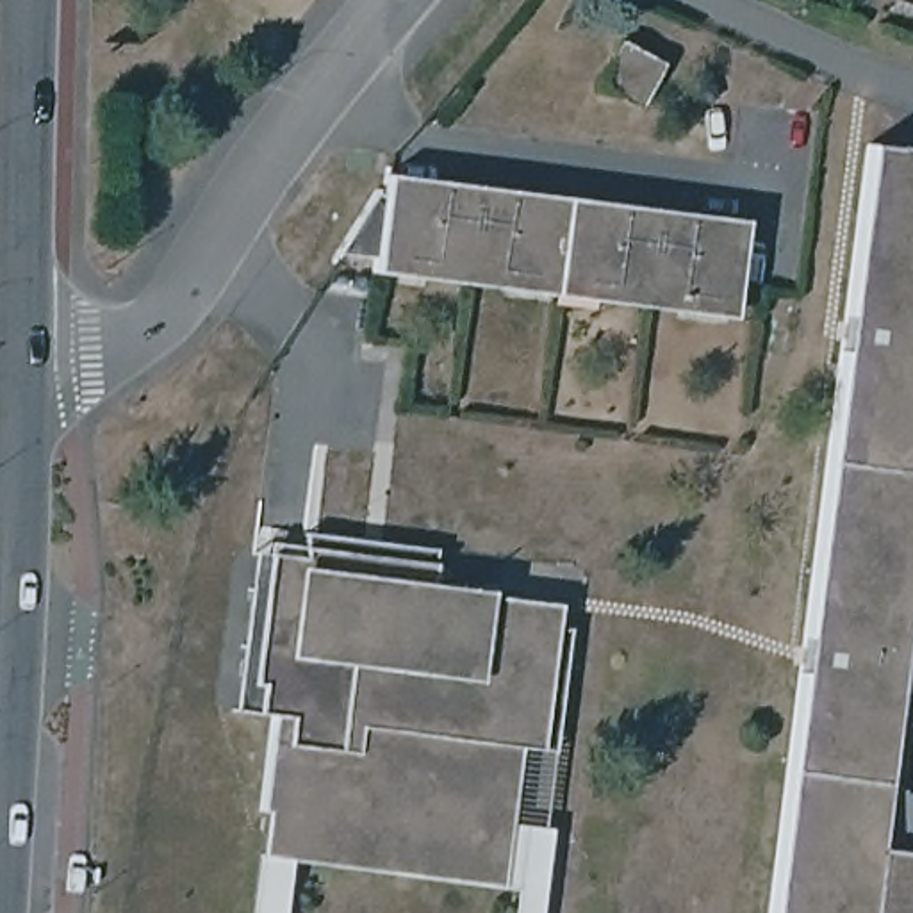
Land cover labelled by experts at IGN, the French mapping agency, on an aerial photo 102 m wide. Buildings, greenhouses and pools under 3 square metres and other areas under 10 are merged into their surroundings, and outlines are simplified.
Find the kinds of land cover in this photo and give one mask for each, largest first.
<instances>
[{"label":"herbaceous vegetation","instance_id":"1","mask_svg":"<svg viewBox=\"0 0 913 913\"><path fill-rule=\"evenodd\" d=\"M185 7L171 21H164V29L153 39L139 43V32L125 29L132 0H89L86 257L96 264L100 275H121L139 257L146 239L128 250H114L96 239L100 96L114 89L132 93L139 100L182 96V114H193L196 125L207 128L214 139H221L243 114L239 96L232 93V86H221L214 78L210 64L214 57H225L235 43L260 57V68L271 78L285 71L292 53L300 50L296 21L307 14L314 0H182ZM524 0H471L467 11L407 71V86L417 89L424 111H435L457 89L467 68L478 61V53L496 39V32L514 18V11ZM571 0H546L539 14L524 25V32L506 46V53L489 68L481 93L453 125V132H481L506 139L581 143L621 153H678V139L692 125H699L710 114L713 96L724 93L731 107L781 111L792 118L802 111L810 114V139H817V100L827 86L813 75L792 78V71H785L781 64L735 46L724 36L692 29L681 43L667 39L656 29H638L631 32V39L667 61L656 107L649 111L631 100H621V53L628 39L599 25L563 29V11ZM874 18L852 46L913 68V0H870ZM899 121L881 107L863 103L860 96H842L835 107L827 146L813 289L802 300H781L774 307L760 410L742 414L745 382L735 378V360L749 350V321L699 325L681 321L674 314H660L649 410L646 417H638L635 432L656 424L706 432L724 435V449H685L667 442L624 439H596L588 449H581L574 432H539L528 424H503L492 417L396 414L385 524L367 521L374 453H342L339 446H328L325 457L317 524L321 531L335 535L439 546L446 585H474L521 599L567 603V624L578 628V646L553 810L556 860L549 884V913H767L788 763V724L799 681L792 660L685 624L588 613L585 603L610 599L688 610L795 646L802 642L806 628L827 432L795 442L781 432V410L799 385L813 399H827L835 407L838 325L845 317L849 300L863 160L867 146H877L881 132H888ZM628 542L635 553L653 556L667 567L646 585L624 581L617 574V549ZM599 738L606 745L631 749L635 760L656 774L642 795L599 799L592 792L588 753ZM385 175L392 171V160L374 150H332V157L289 203L285 221H278V232L271 235V246L278 260L289 267L292 282L310 289V303L321 307L335 282H357L367 292L378 289V282L385 278L371 267L335 264L332 250L346 235L367 193L385 189ZM193 168L178 164L168 171L157 160L139 168L146 228L164 221L171 207V182L185 178ZM414 314H424L428 321H453L457 303L449 296L396 282L389 310L392 328H407ZM556 303L514 300L481 289L471 385L460 396V407H546L542 378L549 321ZM571 317L556 414L592 421L628 417L631 385L642 360L628 346L638 342V310H649V303L635 300H599L596 310L567 307ZM588 346L603 364L617 367V378H610L599 389L578 378L581 350ZM271 357L250 332L232 328L225 314H210L196 328V335L153 371L157 385L128 392V399L107 421L96 424L93 446L100 517L107 553L114 560V574H107V599L118 606L111 628L103 631V663H96L93 674V681H100L103 706L93 777V849L96 860H103L107 867L100 870V902H89L86 913H253L264 856V745L267 724L278 713L235 710H218V674L225 649L232 563L243 549L253 546V510L264 503L275 396L271 389L264 396L250 392ZM168 439H178L175 460H168V474L185 514L168 528L139 524L121 506L118 489L132 474V464H143V449H157ZM125 556H143L153 563L150 603H136V581ZM457 346L442 339L428 350V360L421 357L414 367L417 407H442L446 399L442 378H453ZM325 902L314 913H517L514 892L364 877L339 870L335 863L328 870H317Z\"/></svg>","mask_w":913,"mask_h":913},{"label":"building","instance_id":"2","mask_svg":"<svg viewBox=\"0 0 913 913\"><path fill-rule=\"evenodd\" d=\"M667 61L631 39H628L621 53V100H631L649 111L656 107ZM799 681L788 724V763L767 913H913V146H867L863 160L849 300L845 317L838 325L835 407L827 432L806 628L802 642L795 646L792 660ZM756 257L753 218H717L699 210H670L646 203H617L392 171L385 175V189L367 193L346 235L332 250L335 264L371 267L385 278L396 282L449 296L460 289H481L514 300L556 303L567 307L596 310L599 300H635L649 303V310L660 314H674L681 321L699 325L749 321V303ZM235 710L278 713L267 724L264 745V856L253 913H292L296 867L317 870H328L335 863L339 870L364 877L514 892L517 913H549V884L556 860L553 810L578 646V628L567 624V603L521 599L474 585H446L439 546L335 535L321 531L317 524L303 528V542H282L275 535L264 542V556H253Z\"/></svg>","mask_w":913,"mask_h":913},{"label":"impervious surface","instance_id":"3","mask_svg":"<svg viewBox=\"0 0 913 913\"><path fill-rule=\"evenodd\" d=\"M471 0H314L307 14L296 21L300 50L292 53L285 71L271 78L264 89H257V96H239L243 114L221 139H214L210 157L200 168H193L185 178L171 182V207L164 221L146 228V239L139 257L121 275H100L96 264L86 257L89 0H0V913H86L89 902H100V870L107 867L103 860H96L93 849V777L103 706L100 681H93V674L96 663H103V631L111 628L118 606L107 599V574H114V560L107 553L100 517L93 446L96 424L107 421L128 399V392L157 385L153 371L196 335V328L210 314H225L232 328L250 332L271 357L250 392L264 396L271 389L275 396L264 503L253 510V546L243 549L232 563L225 649L218 674V710H235L253 556H264V542L275 535L282 542H303V528L317 524L325 457L328 446H339L342 453H374L367 521L385 524L396 414L403 353L396 346H378L367 339V292L357 282H335L321 307L310 303V289L292 282L289 267L278 260L271 246V235L278 232V221H285L289 203L332 157V150H374L392 160V171L617 203H646L670 210H699L717 218H753L756 257L749 303L763 289L788 292L792 278L799 275L817 139H810V114L802 111L792 118L781 111L731 107L724 93L713 96L710 114L699 125H692L678 139V153H621L581 143L506 139L481 132H453V125L424 118V111L417 89L407 86V71L467 11ZM57 496H68V503L75 506V524H71V539H68V542H53V514H57L53 499H57ZM728 29H738L774 50L810 61L813 75L827 86L831 78H838L842 96H860L863 103L881 107L899 121L888 132H881L877 146H913V68L852 46L824 32H813L802 21L760 7L753 0H681ZM588 613L685 624L792 660L795 646L688 610L610 599L585 603Z\"/></svg>","mask_w":913,"mask_h":913},{"label":"brushwood","instance_id":"4","mask_svg":"<svg viewBox=\"0 0 913 913\"><path fill-rule=\"evenodd\" d=\"M546 0H524L514 11V18L496 32V39L478 53V61L467 68L457 89L435 111H424V118L453 125L481 93L489 68L506 53V46L524 32V25L539 14ZM663 11L685 18L692 29L724 36L735 46L781 64L785 71H792V78L813 75L810 61L774 50L738 29H728L681 0H670ZM842 96L838 78H831L827 86L817 100V139L799 275L792 278L788 292L763 289L749 303V350L735 360V378L745 382L742 414L760 410L774 307L781 300H802L813 289L827 146L835 107ZM396 282L385 278L378 282V289L367 292V339L378 346H396L403 353L396 414L492 417L503 424H528L539 432H574L581 449H588L596 439H624L667 442L685 449H724V435L706 432L656 424L635 432L638 417H646L649 410L660 314L649 310H638V342L628 346L642 360L631 385L628 417L592 421L556 414L571 317L567 307L556 303L549 321L542 378L546 407H460V396L471 385L481 289H460L449 296L457 303L453 321H428L424 314H414L407 328H392L389 310ZM442 339L457 346L453 378H442L446 399L442 407H417L414 367L421 357L428 360V350ZM57 514H53V542H68V539H71V524H75V506L68 503V496H57V499H53ZM136 581V603H150L153 563L143 556H125ZM325 902L317 870L296 867L292 913H314Z\"/></svg>","mask_w":913,"mask_h":913},{"label":"deciduous trees","instance_id":"5","mask_svg":"<svg viewBox=\"0 0 913 913\"><path fill-rule=\"evenodd\" d=\"M185 7L182 0H132L125 29L139 32V43L153 39L164 29V21H171ZM760 7L802 21L813 32H824L852 46L874 18L870 0H753ZM210 64L214 78L221 86H232V93L239 96H257V89H264L271 78L260 68V57L235 43L225 57H214ZM96 239L114 250H128L146 239V228L139 168L157 160L168 171L178 164L193 168H200L210 157L214 139L207 128L196 125L193 114H182V96L139 100L132 93L114 89L100 96ZM578 378L599 389L610 378H617V367L603 364L588 346L581 350ZM835 407L827 399H813L799 385L781 410V432L795 442L827 432ZM178 439H168L157 449H143V464H132V474L118 489L121 506L139 524L168 528L185 514L168 474V460H175ZM667 567L653 556L635 553L628 542L617 549V574L624 581L646 585ZM592 792L599 799L642 795L656 774L635 760L631 749L606 745L599 738L588 753Z\"/></svg>","mask_w":913,"mask_h":913},{"label":"coniferous trees","instance_id":"6","mask_svg":"<svg viewBox=\"0 0 913 913\"><path fill-rule=\"evenodd\" d=\"M670 0H571L563 11V29L599 25L628 39H631V32L638 29H656L667 39L681 43L692 29L685 18L663 11Z\"/></svg>","mask_w":913,"mask_h":913}]
</instances>
